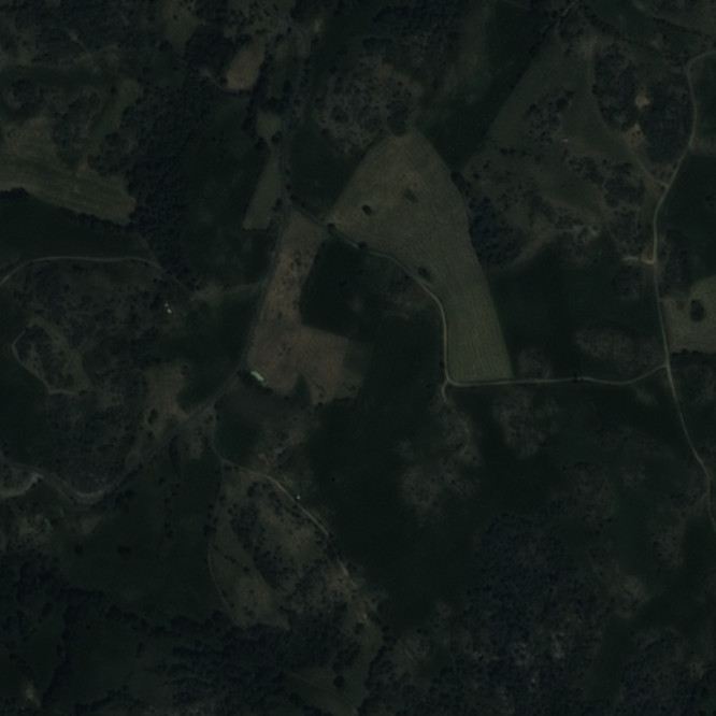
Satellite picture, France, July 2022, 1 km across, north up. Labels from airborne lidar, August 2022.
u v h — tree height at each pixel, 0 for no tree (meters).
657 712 7
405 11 14
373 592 0
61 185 0
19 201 17
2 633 16
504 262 7
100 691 0
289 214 0
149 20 6
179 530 0
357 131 0
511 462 0
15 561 11
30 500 0
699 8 0
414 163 0
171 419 0
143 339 10
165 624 0
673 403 0
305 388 0
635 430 0
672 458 0
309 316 0
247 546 10
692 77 0
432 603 0
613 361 0
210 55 15
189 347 0
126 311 0
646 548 0
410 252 0
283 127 0
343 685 16
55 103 0
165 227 9
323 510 0
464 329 0
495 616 7
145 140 8
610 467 0
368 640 0
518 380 0
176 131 12
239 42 11
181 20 0
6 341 0
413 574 0
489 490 0
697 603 0
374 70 0
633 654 0
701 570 0
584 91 0
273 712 0
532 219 0
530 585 7
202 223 0
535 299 0
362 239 0
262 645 23
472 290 0
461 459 0
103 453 6
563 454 0
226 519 0
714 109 0
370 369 0
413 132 0
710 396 0
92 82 0
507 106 0
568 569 6
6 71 0
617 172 0
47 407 0
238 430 0
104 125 0
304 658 17
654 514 0
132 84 0
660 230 0
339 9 10
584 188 0
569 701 12
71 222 9
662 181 0
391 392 0
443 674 10
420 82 0
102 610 9
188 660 15
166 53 13
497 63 0
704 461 0
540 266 0
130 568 0
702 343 0
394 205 0
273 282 0
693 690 13
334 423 0
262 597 0
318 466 0
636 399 0
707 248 0
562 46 0
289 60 0
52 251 0
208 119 12
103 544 0
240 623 0
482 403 0
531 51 8
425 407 0
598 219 0
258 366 0
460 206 0
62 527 0
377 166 0
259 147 19
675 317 0
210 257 0
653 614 0
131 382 6
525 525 8
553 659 19
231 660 20
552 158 0
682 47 0
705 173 0
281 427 0
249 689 18
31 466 0
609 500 0
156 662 0
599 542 0
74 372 0
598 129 0
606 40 0
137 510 0
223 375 0
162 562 0
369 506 0
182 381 0
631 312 0
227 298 0
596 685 0
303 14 13
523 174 0
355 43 0
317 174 0
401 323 0
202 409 0
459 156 0
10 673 0
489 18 0
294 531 0
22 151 0
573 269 0
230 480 0
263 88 16
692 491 0
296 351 0
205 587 0
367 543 0
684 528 0
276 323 0
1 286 0
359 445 0
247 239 0
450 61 0
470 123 0
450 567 0
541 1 19
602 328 0
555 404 0
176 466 9
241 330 0
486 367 0
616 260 0
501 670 13
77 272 9
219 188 0
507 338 0
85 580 0
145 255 0
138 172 10
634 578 0
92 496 0
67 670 16
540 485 0
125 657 0
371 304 0
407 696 8
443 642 0
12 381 0
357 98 0
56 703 12
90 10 7
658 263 0
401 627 0
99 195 0
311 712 11
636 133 0
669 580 0
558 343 0
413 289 0
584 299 0
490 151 0
